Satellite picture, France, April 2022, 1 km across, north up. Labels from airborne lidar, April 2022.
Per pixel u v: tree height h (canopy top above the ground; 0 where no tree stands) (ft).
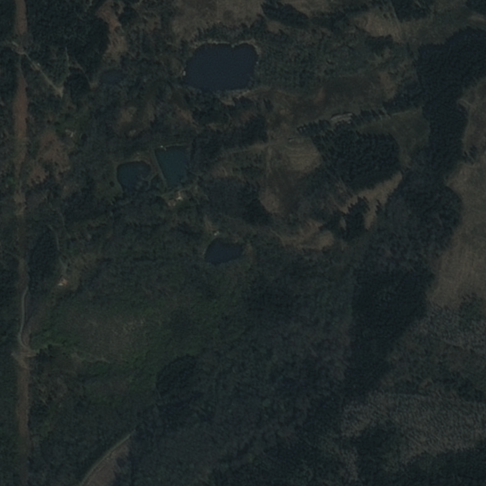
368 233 57
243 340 59
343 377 68
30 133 53
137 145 61
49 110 41
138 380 76
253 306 79
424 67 78
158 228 46
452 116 74
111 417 59
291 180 0
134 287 66
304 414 84
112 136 77
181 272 54
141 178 0
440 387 51
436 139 67
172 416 99
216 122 56
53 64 60
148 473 92
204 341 87
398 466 40
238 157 38
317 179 27
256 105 48
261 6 0
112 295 66
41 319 34
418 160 79
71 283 0
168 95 59
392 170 87
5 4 41
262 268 78
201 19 0
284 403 101
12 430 99
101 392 113
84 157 50
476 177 0
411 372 39
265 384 91
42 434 93
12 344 59
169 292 78
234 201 68
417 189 86
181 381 111
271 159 0
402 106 75
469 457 45
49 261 87
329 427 62
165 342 88
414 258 58
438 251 58
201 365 62
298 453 53
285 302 91
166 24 38
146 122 0
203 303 79
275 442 94
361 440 45
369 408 79
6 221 90
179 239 67
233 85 0
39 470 25
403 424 67
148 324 70
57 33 45
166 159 0
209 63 0
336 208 79
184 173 0
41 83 67
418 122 0
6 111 43
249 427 106
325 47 25
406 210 72
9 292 73
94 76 47
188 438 110
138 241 72
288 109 0
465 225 0
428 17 88
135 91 66
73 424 73
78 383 74
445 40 0
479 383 41
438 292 0
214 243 0
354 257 28
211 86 0
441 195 65
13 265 80
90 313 65
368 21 0
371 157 75
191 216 62
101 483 0
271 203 0
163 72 59
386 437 45
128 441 0
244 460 78
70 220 30
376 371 59
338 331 104
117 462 0
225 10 0
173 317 87
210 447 100
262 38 30
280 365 99
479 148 0
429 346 65
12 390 79
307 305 52
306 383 77
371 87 0
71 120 76
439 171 89
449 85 82
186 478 90
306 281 81
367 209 72
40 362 52
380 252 83
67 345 45
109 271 69
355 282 51
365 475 55
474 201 0
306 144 0
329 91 0
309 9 0
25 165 47
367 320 63
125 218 78
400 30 0
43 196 98
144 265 65
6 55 87
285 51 73
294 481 63
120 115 99
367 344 61
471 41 90
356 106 0
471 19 0
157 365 64
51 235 102
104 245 48
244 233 67
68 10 33
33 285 47
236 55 0
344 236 77
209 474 75
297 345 74
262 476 56
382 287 58
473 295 22
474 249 0
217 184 75
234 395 82
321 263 83
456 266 0
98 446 60
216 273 65
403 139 0
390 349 44
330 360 83
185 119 84
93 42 64
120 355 53
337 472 48
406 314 67
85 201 58
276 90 24
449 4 0
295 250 68
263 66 35
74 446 20
